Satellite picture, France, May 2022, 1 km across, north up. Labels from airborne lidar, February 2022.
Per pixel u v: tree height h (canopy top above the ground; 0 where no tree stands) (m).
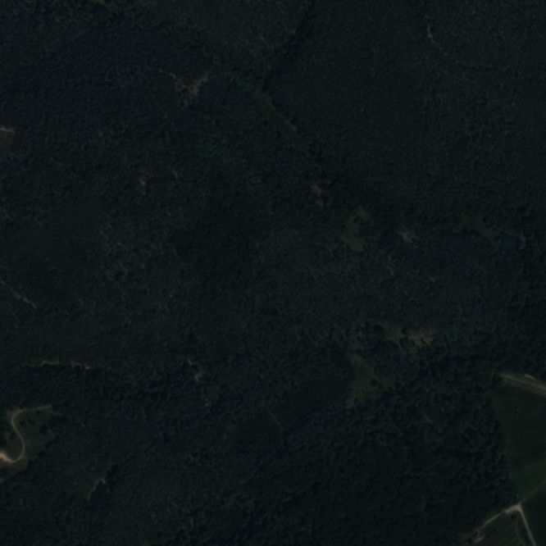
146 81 15
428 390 33
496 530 0
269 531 31
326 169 24
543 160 21
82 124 23
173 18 21
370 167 19
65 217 19
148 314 18
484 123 23
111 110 17
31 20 18
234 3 20
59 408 17
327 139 24
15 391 22
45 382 24
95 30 25
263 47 22
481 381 26
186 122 21
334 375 6
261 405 26
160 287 20
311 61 15
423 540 29
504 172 21
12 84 20
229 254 17
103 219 17
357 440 29
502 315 18
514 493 19
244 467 26
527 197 23
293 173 14
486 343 33
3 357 24
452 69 18
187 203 23
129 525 21
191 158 20
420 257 23
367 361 23
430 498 31
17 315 21
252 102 19
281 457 25
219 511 6
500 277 23
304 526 31
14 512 21
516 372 16
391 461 32
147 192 19
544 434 0
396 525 30
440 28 17
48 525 27
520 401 0
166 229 21
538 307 26
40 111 22
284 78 17
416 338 0
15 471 0
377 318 29
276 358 27
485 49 22
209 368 27
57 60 20
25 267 16
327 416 16
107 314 21
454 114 21
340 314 26
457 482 32
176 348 22
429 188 20
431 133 24
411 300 24
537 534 0
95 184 20
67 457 15
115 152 18
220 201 21
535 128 19
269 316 24
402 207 22
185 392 28
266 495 30
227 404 22
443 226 21
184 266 24
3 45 20
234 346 19
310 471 29
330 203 13
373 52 17
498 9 25
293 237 27
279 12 23
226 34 20
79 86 12
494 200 28
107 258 15
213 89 22
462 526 32
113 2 13
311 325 26
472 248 25
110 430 17
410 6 19
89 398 23
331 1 22
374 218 13
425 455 34
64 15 23
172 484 23
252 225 22
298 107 19
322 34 18
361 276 22
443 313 24
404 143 17
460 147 22
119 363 29
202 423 20
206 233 18
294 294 26
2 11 22
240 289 26
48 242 18
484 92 19
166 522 25
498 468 27
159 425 22
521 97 15
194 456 19
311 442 20
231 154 22
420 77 17
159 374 23
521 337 22
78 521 29
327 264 22
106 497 25
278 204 24
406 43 18
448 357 9
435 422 26
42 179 23
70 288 18
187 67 18
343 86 16
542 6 19
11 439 9
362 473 29
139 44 21
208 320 23
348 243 0
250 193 21
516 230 19
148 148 24
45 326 19
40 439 0
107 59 17
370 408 23
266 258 26
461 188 22
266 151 18
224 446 25
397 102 16
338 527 32
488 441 28
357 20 18
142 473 24
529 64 15
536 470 0
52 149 20
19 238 17
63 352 24
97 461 22
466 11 20
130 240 20
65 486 16
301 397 9
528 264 22
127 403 20
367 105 20
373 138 17
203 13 19
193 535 15
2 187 13
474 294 22
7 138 0
